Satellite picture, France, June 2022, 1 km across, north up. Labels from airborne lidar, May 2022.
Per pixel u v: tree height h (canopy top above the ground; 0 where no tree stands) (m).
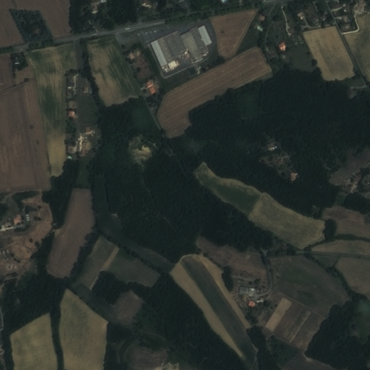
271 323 0
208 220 15
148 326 0
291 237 0
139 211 10
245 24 0
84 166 0
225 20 0
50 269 0
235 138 17
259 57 0
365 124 21
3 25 0
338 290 0
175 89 0
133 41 0
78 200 0
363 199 16
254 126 16
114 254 0
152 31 0
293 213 0
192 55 0
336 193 16
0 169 0
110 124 11
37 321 0
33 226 0
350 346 22
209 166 14
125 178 6
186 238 15
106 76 0
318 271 0
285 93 20
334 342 19
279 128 11
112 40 0
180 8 20
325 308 0
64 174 16
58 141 0
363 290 0
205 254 11
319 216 14
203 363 6
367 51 0
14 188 0
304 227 0
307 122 15
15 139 0
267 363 19
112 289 7
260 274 0
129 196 14
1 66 0
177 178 10
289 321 0
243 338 0
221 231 15
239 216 27
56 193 11
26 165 0
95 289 16
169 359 0
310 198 20
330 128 17
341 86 19
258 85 12
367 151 0
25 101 0
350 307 20
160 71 0
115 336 9
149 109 9
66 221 0
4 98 0
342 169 0
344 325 22
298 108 21
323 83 12
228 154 14
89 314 0
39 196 0
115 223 0
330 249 0
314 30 0
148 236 11
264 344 15
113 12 10
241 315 0
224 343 14
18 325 11
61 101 0
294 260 0
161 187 16
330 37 0
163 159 10
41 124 0
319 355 12
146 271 0
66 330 0
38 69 0
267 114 12
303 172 12
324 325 16
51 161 0
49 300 16
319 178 14
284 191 21
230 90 17
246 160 16
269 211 0
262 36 7
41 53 0
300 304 0
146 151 0
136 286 17
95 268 0
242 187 0
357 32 0
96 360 0
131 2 20
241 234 15
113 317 0
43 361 0
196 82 0
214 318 0
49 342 0
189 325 13
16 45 0
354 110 21
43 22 16
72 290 18
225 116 19
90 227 0
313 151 10
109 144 6
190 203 20
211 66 21
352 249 0
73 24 19
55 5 0
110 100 0
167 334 12
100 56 0
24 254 0
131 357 0
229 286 14
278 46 9
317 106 20
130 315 0
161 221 7
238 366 13
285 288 0
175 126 0
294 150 13
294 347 0
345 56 0
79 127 0
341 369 19
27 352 0
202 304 0
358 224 0
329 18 14
